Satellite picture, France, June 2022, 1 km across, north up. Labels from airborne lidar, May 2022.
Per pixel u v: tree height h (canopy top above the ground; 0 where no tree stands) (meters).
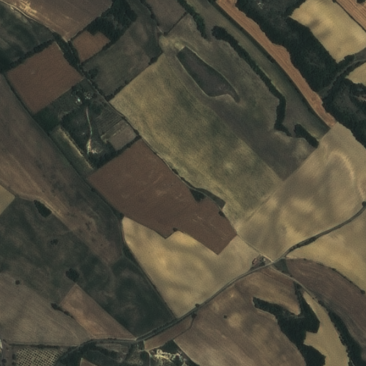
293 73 0
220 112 0
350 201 0
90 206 0
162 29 0
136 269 0
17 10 0
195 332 0
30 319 0
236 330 0
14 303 0
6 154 0
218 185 0
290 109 0
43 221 0
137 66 0
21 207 0
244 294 0
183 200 0
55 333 0
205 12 0
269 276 0
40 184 0
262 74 17
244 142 0
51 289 0
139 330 0
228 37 13
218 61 0
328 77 7
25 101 0
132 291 0
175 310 0
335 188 0
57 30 0
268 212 0
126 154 0
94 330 0
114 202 0
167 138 0
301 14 0
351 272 0
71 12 0
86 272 0
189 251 0
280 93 12
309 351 11
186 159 0
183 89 0
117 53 0
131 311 0
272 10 7
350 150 0
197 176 0
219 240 0
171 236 0
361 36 0
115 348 0
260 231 0
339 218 0
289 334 13
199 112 0
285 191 0
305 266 0
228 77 0
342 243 0
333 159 0
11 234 0
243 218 0
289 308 0
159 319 0
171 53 0
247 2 7
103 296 0
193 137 0
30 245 0
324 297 0
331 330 0
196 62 0
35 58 0
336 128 0
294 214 0
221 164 0
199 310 0
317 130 0
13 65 15
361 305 0
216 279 0
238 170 0
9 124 0
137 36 0
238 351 0
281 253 0
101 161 9
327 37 0
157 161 0
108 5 0
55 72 0
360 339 0
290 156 0
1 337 0
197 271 0
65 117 12
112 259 0
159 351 0
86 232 0
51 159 0
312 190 0
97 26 12
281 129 9
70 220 0
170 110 0
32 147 0
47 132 7
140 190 0
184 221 0
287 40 10
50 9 0
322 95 0
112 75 0
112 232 0
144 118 0
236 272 0
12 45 0
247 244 0
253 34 0
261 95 0
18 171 0
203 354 0
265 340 0
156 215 0
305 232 0
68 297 0
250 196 0
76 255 0
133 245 0
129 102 0
